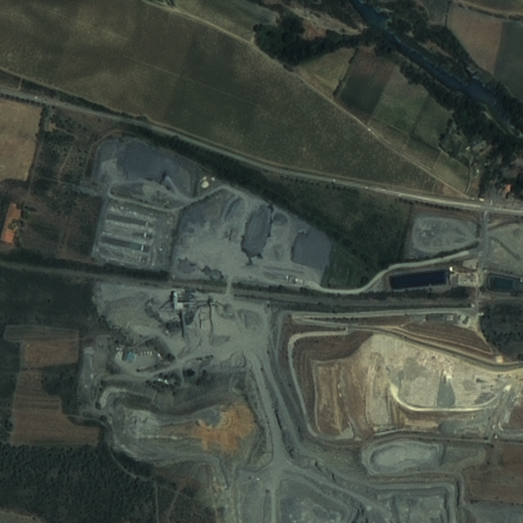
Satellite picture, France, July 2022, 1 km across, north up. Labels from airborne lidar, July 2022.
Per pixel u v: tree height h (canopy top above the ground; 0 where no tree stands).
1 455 11
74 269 7
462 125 16
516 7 0
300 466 0
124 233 0
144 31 0
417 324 0
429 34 11
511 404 0
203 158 9
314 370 0
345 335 0
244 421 0
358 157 0
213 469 0
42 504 6
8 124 0
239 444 0
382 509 0
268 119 0
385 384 0
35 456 11
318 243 0
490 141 18
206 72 0
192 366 0
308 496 0
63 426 0
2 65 0
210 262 0
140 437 0
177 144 8
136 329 0
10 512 0
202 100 0
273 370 0
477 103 12
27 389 0
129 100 0
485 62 0
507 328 0
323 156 0
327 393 0
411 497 0
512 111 16
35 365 0
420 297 6
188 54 0
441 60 11
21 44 0
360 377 0
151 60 0
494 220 0
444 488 0
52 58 0
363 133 0
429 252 0
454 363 0
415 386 0
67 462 12
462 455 0
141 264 0
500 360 0
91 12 0
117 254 0
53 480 9
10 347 0
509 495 0
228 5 0
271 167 0
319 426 0
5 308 0
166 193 0
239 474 0
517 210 0
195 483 0
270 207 0
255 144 0
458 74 10
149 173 0
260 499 0
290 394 0
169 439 0
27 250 8
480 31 0
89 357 0
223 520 0
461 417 0
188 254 0
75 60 0
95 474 7
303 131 0
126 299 0
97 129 0
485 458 0
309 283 0
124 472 6
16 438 0
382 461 0
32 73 0
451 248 0
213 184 0
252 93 0
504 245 0
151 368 0
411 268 0
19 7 0
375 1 6
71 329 0
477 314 0
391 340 0
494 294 0
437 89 17
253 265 0
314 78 0
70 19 0
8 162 0
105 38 0
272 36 16
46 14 0
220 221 0
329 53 7
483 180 6
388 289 0
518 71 0
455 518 0
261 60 0
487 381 0
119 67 0
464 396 0
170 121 0
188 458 0
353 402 0
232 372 0
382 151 0
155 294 0
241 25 0
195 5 0
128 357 0
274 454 0
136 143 0
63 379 7
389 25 9
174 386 11
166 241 0
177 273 0
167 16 0
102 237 0
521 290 0
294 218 0
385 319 0
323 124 0
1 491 0
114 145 0
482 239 0
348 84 0
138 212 0
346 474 0
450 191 0
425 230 0
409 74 12
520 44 0
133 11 0
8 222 0
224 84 0
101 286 0
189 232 0
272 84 0
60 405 0
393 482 0
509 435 0
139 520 6
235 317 0
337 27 0
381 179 0
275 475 0
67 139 8
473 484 0
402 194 0
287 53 18
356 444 0
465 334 0
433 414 0
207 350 0
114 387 0
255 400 0
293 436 0
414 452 0
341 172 0
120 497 7
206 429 0
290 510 0
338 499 0
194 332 0
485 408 0
